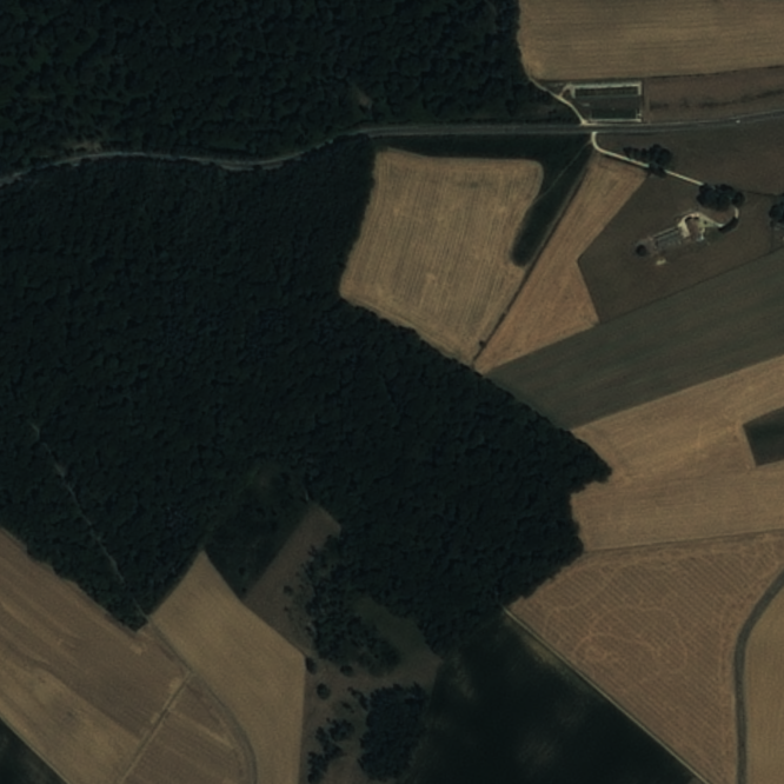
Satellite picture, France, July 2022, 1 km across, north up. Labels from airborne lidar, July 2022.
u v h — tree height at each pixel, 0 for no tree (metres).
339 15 27
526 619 0
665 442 0
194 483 24
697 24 0
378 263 0
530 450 31
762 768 0
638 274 0
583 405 0
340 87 26
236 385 28
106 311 27
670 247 0
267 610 0
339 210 23
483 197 0
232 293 24
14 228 15
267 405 23
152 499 25
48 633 0
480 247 0
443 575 30
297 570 0
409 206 0
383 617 0
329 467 25
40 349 30
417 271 0
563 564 23
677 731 0
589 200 0
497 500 29
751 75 0
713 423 0
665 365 0
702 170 0
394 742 26
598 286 0
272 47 23
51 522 20
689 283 0
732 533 0
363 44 25
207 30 21
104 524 25
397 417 28
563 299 0
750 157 0
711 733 0
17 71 16
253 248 24
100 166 17
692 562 0
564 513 24
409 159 0
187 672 0
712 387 0
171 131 24
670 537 0
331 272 18
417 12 28
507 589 26
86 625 0
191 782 0
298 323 27
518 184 0
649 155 17
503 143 0
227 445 26
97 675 0
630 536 0
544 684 0
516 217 0
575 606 0
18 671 0
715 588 0
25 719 0
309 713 0
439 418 28
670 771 0
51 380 23
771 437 0
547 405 0
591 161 0
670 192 0
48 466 24
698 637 0
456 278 0
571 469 30
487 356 0
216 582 0
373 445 31
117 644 0
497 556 27
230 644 0
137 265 24
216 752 0
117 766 0
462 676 0
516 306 0
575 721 0
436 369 28
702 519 0
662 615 0
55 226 21
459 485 27
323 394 31
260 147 21
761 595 0
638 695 0
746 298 0
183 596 0
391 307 0
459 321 0
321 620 22
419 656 0
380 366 29
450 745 0
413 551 28
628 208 0
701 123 0
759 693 0
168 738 0
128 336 21
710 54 0
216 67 27
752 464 0
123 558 20
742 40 0
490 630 0
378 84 26
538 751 0
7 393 24
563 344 0
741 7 0
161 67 29
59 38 22
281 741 0
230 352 27
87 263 27
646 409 0
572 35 0
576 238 0
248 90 27
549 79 0
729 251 0
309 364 28
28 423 23
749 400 0
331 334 29
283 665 0
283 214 19
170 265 18
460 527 28
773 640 0
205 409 20
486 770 0
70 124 17
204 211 20
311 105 26
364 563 27
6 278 26
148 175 22
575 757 0
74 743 0
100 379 23
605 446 0
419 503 26
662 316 0
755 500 0
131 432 26
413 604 27
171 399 27
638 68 0
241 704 0
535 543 30
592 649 0
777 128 0
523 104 12
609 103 0
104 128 21
